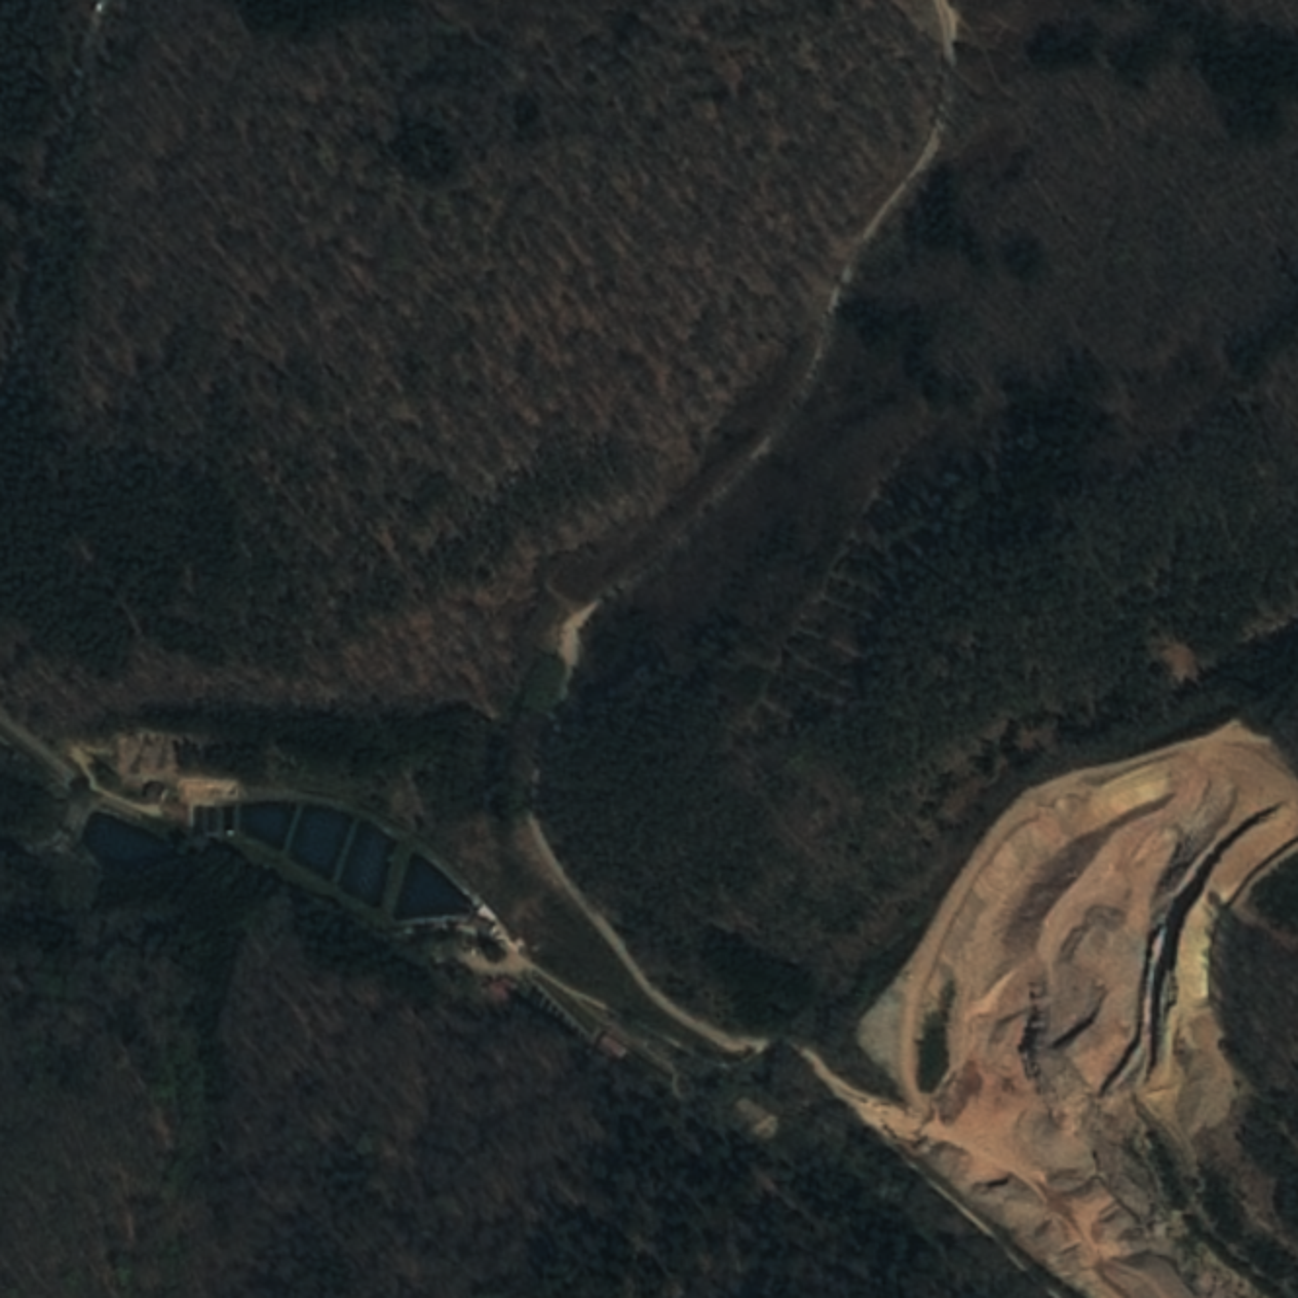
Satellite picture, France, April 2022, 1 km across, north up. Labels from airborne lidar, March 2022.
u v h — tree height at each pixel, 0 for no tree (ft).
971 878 0
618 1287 56
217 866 75
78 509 90
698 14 94
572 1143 101
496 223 83
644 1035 79
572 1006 0
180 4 94
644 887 86
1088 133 79
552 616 87
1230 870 0
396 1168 87
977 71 36
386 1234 93
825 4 80
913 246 61
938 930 0
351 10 96
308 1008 92
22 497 88
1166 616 94
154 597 86
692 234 89
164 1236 121
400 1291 90
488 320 77
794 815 67
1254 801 0
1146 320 68
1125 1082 0
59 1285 99
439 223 71
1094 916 0
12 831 88
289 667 87
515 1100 102
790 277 91
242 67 80
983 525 18
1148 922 0
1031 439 68
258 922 77
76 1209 92
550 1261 25
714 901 84
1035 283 105
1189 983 0
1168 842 0
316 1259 99
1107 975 0
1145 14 79
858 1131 84
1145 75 77
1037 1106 0
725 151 85
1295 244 78
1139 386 47
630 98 101
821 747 73
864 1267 113
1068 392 55
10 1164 73
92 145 77
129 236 77
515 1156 103
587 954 0
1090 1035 0
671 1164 123
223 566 74
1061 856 0
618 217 89
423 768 83
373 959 104
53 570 88
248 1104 127
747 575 24
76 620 72
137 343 92
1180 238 90
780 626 25
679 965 76
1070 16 45
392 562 88
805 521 36
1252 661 85
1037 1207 0
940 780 68
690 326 90
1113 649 77
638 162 94
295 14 96
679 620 27
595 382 90
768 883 75
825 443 40
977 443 31
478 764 65
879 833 71
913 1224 61
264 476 88
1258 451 79
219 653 85
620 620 29
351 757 111
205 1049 75
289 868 0
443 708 65
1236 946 71
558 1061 94
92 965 98
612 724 77
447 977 77
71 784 0
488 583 87
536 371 76
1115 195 78
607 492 100
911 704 89
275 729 104
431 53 103
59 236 87
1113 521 78
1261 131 100
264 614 76
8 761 55
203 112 85
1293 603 89
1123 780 0
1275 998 65
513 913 0
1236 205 85
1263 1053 75
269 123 90
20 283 99
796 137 79
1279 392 83
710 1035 0
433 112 96
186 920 49
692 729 76
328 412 101
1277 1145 73
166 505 89
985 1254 66
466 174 90
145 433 100
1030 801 0
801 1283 106
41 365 64
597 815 81
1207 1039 0
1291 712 66
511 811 64
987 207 73
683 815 75
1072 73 79
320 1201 101
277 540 87
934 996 0
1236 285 74
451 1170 114
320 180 92
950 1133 0
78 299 89
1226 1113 0
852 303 91
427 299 80
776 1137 0
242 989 103
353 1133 98
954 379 85
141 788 0
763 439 25
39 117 108
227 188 73
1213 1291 0
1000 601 78
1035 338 90
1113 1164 0
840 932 45
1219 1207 20
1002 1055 0
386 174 86
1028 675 85
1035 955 0
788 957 86
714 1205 126
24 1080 73
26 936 94
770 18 92
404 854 0
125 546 86
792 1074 98
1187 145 77
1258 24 77
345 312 89
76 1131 101
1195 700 82
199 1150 85
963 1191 0
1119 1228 0
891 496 20
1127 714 38
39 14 100
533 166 96
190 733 103
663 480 94
